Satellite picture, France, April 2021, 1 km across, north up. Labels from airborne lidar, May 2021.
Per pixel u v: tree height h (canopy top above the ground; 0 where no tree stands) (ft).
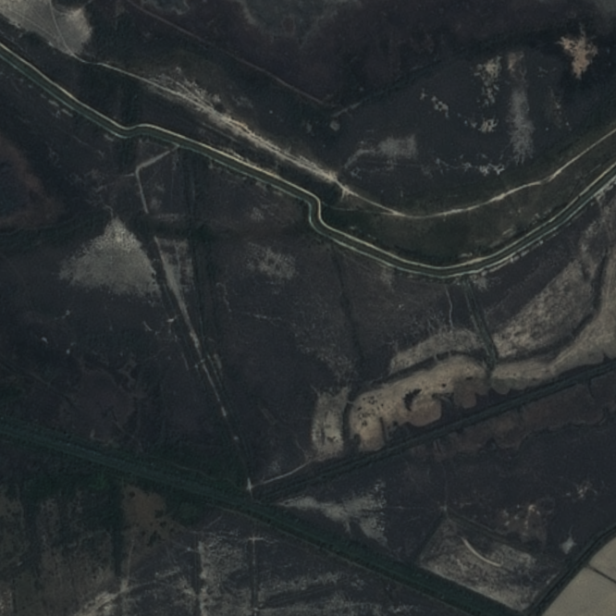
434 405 0
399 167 0
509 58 0
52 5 0
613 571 0
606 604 0
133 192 0
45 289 0
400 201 0
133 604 0
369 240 0
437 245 0
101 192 0
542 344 0
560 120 0
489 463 0
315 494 0
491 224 0
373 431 0
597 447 0
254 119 0
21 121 0
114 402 0
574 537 0
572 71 0
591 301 0
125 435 0
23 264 0
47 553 0
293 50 0
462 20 0
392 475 0
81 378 0
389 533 0
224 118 0
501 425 0
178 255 0
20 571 0
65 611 0
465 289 0
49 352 0
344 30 0
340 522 0
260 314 0
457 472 0
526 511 0
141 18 0
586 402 0
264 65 0
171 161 0
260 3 0
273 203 0
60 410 0
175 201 0
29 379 0
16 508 0
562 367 0
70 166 0
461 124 0
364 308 0
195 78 0
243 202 0
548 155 0
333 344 0
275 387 0
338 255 0
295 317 0
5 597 0
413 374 0
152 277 0
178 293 0
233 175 0
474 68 0
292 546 0
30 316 0
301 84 0
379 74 0
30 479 19
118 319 0
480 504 0
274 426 0
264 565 0
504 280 0
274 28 0
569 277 0
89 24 0
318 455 0
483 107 0
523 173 0
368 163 0
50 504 0
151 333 0
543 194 0
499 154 0
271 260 0
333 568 0
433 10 0
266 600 0
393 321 0
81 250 0
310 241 0
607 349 0
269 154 0
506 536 0
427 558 0
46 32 0
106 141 0
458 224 0
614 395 0
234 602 0
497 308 0
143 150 0
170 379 0
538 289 0
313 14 0
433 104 0
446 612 0
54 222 0
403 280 0
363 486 0
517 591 0
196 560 0
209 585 0
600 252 0
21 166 0
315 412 0
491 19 0
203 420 0
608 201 0
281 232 0
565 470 0
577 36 0
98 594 0
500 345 0
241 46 0
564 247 0
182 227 0
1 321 0
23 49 0
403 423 0
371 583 0
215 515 0
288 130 0
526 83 0
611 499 0
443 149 0
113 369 0
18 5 0
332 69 0
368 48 0
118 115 0
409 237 0
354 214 0
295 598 0
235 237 0
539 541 0
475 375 0
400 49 0
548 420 0
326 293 0
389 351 0
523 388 0
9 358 0
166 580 0
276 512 20
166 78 0
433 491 0
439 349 0
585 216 0
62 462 19
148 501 0
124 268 0
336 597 0
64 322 0
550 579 0
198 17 0
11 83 0
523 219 0
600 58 0
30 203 0
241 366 0
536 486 0
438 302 0
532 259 0
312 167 0
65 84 0
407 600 0
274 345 0
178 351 0
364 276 0
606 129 0
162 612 0
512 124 0
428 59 0
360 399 0
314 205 0
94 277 0
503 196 0
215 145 0
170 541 0
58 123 0
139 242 0
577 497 0
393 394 0
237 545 0
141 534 0
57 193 0
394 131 0
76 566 0
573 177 0
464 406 0
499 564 0
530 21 0
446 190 0
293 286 0
